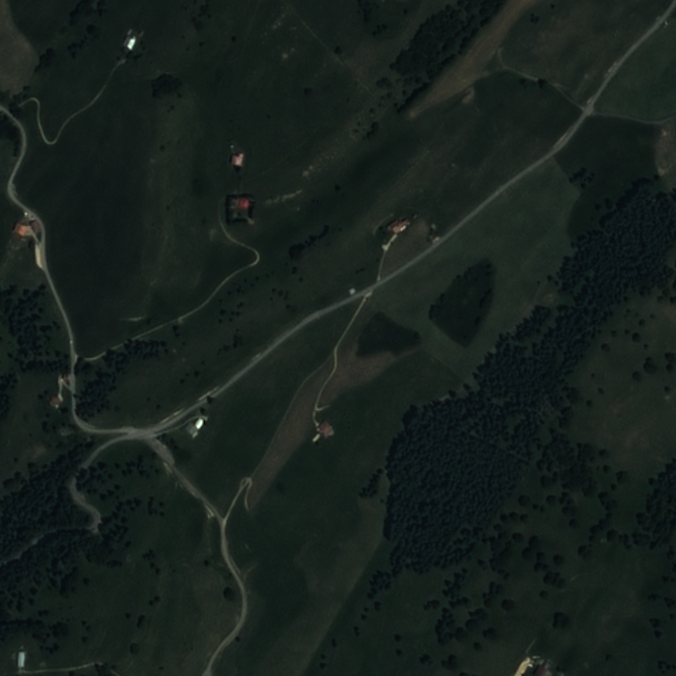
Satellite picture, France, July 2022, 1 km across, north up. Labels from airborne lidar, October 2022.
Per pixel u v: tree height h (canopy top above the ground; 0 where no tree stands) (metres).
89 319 0
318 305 0
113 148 0
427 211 0
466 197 0
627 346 0
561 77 0
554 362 14
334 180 0
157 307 0
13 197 0
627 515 0
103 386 18
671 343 0
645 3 0
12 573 19
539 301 0
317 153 0
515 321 0
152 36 0
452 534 24
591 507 0
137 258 0
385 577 23
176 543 0
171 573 0
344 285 0
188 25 0
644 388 0
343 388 0
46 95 0
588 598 0
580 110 0
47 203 0
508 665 0
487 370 18
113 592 0
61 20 0
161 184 0
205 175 0
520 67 0
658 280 15
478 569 0
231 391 0
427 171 0
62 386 0
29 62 0
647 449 0
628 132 0
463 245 0
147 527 0
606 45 0
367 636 0
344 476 0
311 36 0
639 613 0
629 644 0
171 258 0
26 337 20
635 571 0
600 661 0
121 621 0
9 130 15
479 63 0
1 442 0
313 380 0
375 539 0
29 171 0
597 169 0
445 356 0
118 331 0
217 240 0
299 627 0
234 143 0
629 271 24
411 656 0
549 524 0
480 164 0
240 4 0
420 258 0
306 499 0
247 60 0
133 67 0
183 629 0
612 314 9
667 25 0
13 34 0
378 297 0
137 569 0
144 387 0
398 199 0
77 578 10
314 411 0
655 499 22
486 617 12
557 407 17
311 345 0
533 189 0
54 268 0
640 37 0
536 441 19
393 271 0
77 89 0
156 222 0
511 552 14
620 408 0
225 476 0
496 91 0
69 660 0
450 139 0
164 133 0
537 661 0
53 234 0
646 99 0
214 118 0
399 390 0
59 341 0
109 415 0
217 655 0
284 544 0
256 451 0
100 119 0
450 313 0
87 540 19
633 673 0
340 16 0
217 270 0
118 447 0
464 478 26
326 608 0
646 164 0
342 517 0
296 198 0
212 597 0
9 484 15
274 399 0
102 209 0
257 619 0
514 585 0
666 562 0
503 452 20
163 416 0
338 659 0
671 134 0
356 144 0
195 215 0
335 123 0
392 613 0
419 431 24
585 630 0
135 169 0
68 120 0
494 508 26
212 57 0
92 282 0
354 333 0
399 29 0
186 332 0
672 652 0
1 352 0
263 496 0
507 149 0
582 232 0
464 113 0
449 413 14
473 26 9
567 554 0
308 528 0
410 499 26
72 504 19
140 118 0
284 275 0
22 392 0
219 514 0
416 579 0
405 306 0
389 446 0
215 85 0
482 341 0
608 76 0
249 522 0
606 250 16
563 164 0
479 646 10
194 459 0
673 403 0
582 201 0
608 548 0
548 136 0
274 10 0
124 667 0
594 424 0
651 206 25
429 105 0
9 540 21
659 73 0
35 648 0
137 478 0
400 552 13
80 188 0
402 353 0
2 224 0
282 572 0
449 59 11
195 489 0
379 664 0
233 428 0
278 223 0
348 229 0
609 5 0
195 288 0
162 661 0
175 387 0
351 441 0
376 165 0
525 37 0
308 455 0
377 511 0
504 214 0
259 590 0
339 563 0
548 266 0
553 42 0
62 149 0
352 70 0
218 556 0
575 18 0
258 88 0
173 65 0
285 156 0
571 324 16
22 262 0
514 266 0
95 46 0
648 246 25
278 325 0
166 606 0
